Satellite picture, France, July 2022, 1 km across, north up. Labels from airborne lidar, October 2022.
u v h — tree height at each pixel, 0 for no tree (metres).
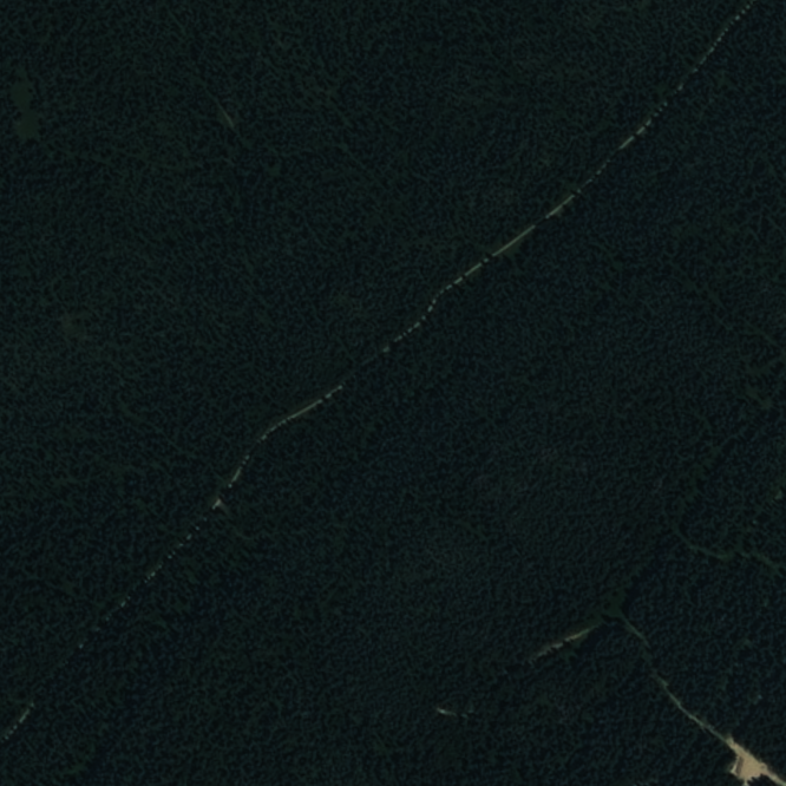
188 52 7
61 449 22
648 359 21
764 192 24
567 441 24
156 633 37
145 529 15
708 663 24
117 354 18
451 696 20
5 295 27
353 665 20
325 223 9
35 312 9
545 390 8
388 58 9
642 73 11
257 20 10
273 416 14
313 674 8
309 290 20
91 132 10
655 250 24
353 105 18
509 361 19
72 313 7
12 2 18
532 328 13
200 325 23
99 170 26
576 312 21
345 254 25
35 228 13
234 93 8
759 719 22
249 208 23
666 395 9
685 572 25
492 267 15
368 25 13
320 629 26
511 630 10
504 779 26
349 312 14
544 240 8
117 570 14
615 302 22
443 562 12
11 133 21
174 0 31
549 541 17
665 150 17
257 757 20
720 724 25
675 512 25
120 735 29
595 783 20
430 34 13
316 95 15
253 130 7
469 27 22
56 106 17
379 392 21
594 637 6
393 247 15
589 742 27
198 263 23
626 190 21
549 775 22
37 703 11
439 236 12
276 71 22
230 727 9
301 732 22
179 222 7
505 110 22
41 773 26
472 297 9
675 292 20
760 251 21
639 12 23
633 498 24
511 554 22
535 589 19
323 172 11
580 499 22
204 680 13
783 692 20
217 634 22
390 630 20
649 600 26
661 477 20
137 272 25
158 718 18
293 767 20
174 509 29
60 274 16
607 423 7
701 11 13
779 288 19
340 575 22
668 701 28
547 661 21
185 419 9
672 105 14
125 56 9
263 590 20
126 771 21
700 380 20
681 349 21
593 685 17
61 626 21
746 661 24
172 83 9
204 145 18
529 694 28
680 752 29
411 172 25
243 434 19
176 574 28
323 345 8
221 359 11
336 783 19
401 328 9
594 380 20
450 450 28
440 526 17
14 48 25
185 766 22
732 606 28
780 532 31
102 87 10
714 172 20
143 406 27
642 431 21
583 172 16
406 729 16
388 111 7
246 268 25
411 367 18
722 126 22
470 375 21
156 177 6
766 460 22
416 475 24
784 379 6
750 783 0
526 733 13
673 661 27
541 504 20
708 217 14
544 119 12
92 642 23
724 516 20
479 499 17
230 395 20
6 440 16
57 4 15
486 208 16
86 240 8
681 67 18
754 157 24
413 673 8
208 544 31
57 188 14
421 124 29
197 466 27
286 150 12
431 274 18
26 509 8
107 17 16
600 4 6
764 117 22
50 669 16
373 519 19
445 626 20
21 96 0
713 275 16
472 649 17
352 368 15
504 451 15
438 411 7
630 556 25
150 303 14
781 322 21
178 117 23
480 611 18
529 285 24
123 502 29
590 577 20
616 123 25
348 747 19
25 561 29
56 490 8
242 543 10
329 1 15
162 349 15
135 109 13
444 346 9
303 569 22
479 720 30
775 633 30
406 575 7
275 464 26
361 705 15
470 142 14
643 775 18
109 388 22
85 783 9
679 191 16
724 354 19
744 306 16
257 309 19
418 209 19
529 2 11
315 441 27
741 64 11
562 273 13
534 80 10
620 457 22
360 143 6
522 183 14
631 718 19
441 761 21
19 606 29
